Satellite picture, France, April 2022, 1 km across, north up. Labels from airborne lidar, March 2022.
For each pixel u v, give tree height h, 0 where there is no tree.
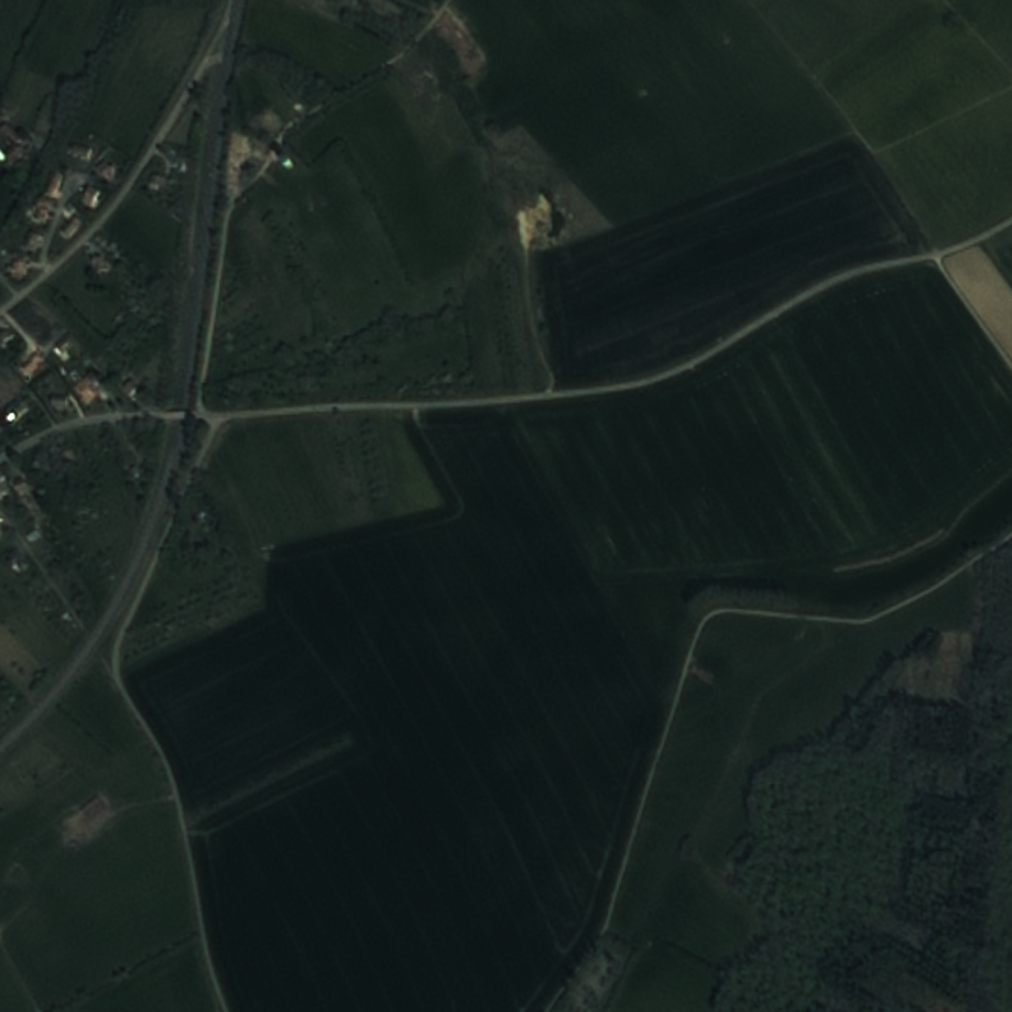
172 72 0
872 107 0
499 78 0
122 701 0
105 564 6
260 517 0
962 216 0
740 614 0
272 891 0
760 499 0
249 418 0
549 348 0
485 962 0
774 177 0
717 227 0
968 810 24
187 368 0
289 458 0
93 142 0
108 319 0
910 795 26
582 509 0
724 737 0
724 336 0
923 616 0
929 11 0
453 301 13
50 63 0
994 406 0
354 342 7
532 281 0
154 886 0
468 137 0
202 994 0
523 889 0
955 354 0
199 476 10
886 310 0
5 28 0
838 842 27
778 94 0
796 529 0
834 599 0
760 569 0
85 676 0
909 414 0
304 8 0
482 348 0
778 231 0
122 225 0
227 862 0
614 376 0
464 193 0
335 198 0
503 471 0
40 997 0
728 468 0
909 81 0
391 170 0
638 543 0
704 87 0
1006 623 15
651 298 0
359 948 0
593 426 0
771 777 21
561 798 0
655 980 0
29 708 0
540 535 0
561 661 0
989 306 0
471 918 0
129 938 0
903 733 28
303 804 0
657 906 0
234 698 0
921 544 0
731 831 0
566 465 0
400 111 0
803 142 0
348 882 0
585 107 0
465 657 0
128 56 0
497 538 0
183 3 17
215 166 0
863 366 0
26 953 0
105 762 0
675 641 0
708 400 0
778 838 20
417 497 0
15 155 0
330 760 0
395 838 0
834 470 0
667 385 0
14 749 0
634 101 0
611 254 0
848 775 27
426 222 0
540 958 0
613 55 0
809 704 0
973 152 0
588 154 0
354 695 0
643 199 0
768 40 0
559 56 0
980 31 0
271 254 0
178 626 6
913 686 0
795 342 0
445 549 0
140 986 0
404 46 17
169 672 0
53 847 0
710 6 0
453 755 0
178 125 0
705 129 0
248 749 0
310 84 9
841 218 0
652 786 0
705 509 0
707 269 0
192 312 0
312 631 0
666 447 0
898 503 0
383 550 0
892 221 0
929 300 0
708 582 0
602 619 0
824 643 0
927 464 0
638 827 0
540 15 0
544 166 0
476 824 0
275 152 0
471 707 0
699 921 0
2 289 0
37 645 0
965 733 20
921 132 0
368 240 0
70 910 0
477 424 0
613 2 0
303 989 0
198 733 0
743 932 0
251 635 0
